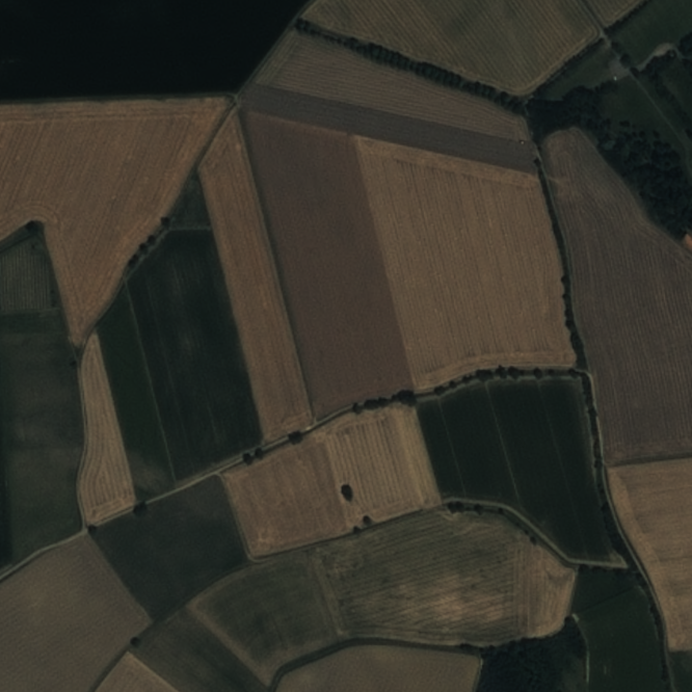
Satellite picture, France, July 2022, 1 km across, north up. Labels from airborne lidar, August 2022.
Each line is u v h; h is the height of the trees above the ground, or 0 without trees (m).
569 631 7
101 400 0
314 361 0
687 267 0
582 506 0
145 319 0
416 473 0
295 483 0
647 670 0
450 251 0
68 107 0
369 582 0
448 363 0
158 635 0
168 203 0
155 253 0
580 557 0
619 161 18
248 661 0
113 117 0
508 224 0
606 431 0
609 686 0
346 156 0
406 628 0
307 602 0
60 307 0
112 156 0
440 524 0
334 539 0
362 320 0
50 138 0
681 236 13
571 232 0
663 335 0
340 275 0
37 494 0
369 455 0
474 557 0
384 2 0
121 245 0
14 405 0
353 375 0
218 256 0
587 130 9
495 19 0
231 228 0
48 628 0
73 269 0
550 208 7
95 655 0
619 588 0
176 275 0
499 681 13
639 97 0
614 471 0
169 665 0
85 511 0
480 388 0
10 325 0
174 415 0
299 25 12
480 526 0
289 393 0
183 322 0
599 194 0
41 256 0
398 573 0
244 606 0
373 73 0
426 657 0
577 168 0
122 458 0
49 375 0
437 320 0
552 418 0
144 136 0
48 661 0
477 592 0
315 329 0
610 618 0
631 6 0
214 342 0
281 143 0
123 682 0
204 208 0
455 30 0
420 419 0
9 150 0
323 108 0
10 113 0
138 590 0
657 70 13
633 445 0
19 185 0
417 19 0
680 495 0
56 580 0
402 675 0
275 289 0
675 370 0
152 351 0
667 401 0
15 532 0
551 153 0
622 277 0
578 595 0
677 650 0
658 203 18
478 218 0
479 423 0
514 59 0
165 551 0
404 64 12
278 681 0
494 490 0
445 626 0
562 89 0
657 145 12
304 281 0
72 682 0
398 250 0
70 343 0
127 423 0
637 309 0
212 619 0
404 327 0
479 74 0
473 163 0
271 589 0
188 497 0
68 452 0
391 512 0
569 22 0
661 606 0
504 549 0
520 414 0
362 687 0
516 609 0
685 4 0
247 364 0
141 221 0
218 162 0
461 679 0
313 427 0
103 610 0
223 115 0
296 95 0
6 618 0
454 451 0
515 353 0
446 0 0
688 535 0
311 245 0
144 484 0
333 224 0
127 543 0
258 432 0
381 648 0
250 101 0
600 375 0
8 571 0
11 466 0
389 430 0
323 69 0
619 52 10
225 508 0
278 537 0
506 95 13
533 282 0
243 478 0
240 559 0
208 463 0
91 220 0
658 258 0
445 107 0
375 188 0
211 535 0
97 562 0
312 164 0
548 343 0
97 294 0
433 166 0
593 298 0
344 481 0
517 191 0
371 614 0
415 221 0
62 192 0
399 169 0
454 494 0
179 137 0
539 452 0
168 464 0
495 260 0
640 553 0
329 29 0
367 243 0
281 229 0
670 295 0
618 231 0
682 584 0
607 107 0
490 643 0
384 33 0
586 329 0
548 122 12
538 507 0
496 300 0
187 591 0
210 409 0
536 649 13
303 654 0
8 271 0
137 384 0
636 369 0
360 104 0
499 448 0
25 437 0
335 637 0
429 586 0
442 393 6
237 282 0
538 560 0
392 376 0
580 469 0
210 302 0
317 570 0
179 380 0
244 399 0
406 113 0
